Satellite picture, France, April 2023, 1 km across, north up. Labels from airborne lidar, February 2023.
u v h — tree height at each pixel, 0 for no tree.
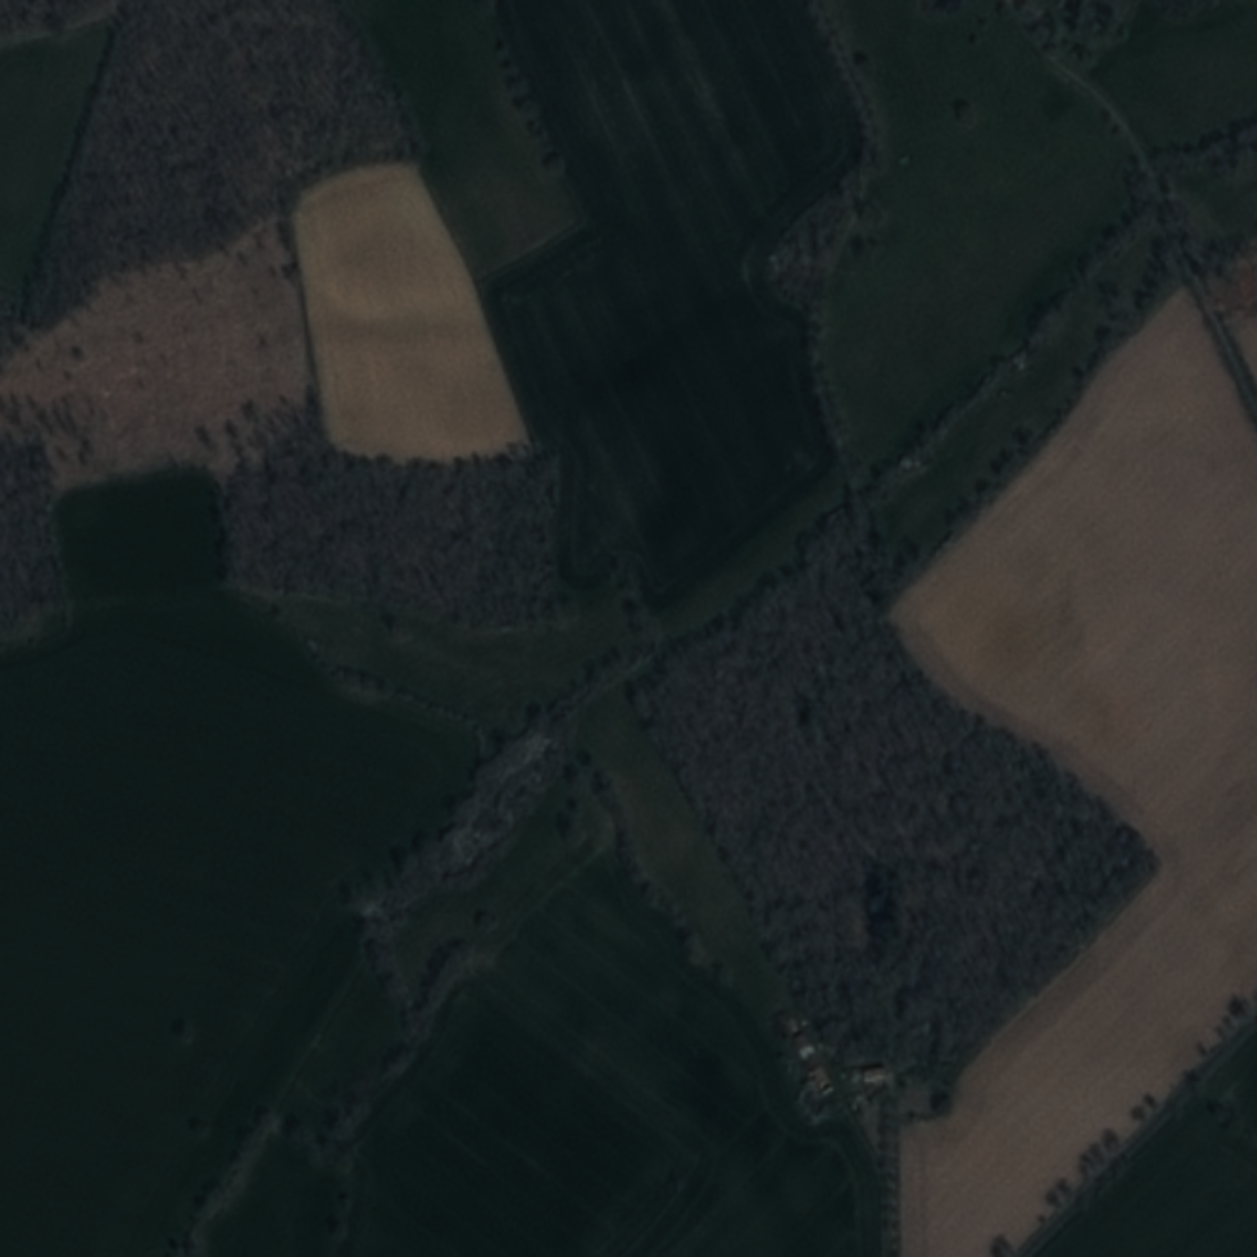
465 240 0
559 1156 0
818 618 21
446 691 0
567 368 0
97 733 0
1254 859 0
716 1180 0
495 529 23
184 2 21
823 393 16
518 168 0
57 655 0
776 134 0
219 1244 0
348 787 0
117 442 0
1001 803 19
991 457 0
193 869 0
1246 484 0
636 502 0
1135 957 0
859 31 0
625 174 0
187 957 0
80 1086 0
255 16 20
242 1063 0
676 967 0
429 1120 0
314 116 22
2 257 0
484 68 0
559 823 0
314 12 22
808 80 0
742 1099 0
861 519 18
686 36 0
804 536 0
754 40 0
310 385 0
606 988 0
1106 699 0
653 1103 0
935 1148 0
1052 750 0
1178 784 0
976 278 0
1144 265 0
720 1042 0
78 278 18
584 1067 0
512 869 0
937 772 21
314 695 0
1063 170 0
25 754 0
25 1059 0
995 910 21
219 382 0
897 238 0
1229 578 0
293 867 0
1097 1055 0
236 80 21
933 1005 21
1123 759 0
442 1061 0
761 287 0
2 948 0
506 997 0
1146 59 0
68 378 7
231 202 24
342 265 0
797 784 24
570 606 14
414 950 0
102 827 0
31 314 18
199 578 0
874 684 24
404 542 25
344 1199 7
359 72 17
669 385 0
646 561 0
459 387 0
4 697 0
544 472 16
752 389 0
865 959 6
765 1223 0
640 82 0
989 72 0
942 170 0
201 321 0
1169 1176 0
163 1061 0
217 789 0
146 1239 0
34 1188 0
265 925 0
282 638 0
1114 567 0
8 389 0
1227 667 0
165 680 0
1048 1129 0
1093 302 0
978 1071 0
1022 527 0
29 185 0
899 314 0
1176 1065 0
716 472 0
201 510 0
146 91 17
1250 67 0
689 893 0
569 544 0
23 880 0
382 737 0
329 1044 0
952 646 0
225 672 0
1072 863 25
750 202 0
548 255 0
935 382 0
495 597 20
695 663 20
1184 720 0
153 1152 0
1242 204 0
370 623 0
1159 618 0
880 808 23
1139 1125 11
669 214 0
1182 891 0
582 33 0
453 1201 0
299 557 23
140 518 0
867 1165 0
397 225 0
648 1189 0
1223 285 25
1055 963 17
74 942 0
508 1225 0
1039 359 12
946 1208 0
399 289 0
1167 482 0
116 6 19
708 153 0
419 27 0
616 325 0
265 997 0
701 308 0
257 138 21
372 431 0
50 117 0
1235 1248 0
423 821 0
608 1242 0
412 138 17
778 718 24
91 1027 0
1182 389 0
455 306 0
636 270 0
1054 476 0
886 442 0
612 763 0
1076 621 0
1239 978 0
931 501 0
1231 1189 0
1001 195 0
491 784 14
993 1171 0
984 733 16
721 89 0
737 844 22
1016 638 0
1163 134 0
